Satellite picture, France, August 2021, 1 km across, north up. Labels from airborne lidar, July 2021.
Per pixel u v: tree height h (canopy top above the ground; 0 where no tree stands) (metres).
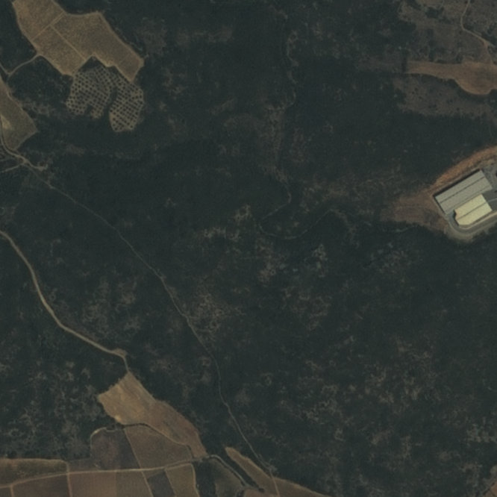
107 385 0
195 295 0
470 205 0
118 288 0
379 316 0
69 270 0
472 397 0
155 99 0
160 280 0
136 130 0
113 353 0
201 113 0
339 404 0
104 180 0
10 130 0
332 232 0
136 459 0
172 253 0
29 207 0
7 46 0
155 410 0
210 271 0
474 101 0
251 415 0
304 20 0
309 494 0
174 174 0
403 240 0
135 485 0
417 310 0
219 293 0
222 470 0
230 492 0
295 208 0
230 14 0
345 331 0
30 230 0
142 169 0
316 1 0
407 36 0
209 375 0
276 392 0
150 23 0
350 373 0
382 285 0
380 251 0
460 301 0
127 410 0
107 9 0
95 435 0
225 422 0
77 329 0
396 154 0
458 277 0
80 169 0
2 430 0
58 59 0
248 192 0
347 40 0
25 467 0
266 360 0
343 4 0
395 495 0
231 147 0
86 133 0
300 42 0
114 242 0
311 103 0
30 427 0
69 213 0
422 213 0
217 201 0
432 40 0
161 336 0
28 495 0
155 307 0
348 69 0
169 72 0
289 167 0
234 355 0
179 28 0
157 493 0
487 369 0
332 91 0
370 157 0
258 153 0
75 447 0
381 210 0
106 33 0
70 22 0
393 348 0
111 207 0
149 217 0
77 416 0
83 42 0
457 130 0
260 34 0
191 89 0
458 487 0
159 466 0
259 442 0
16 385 0
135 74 0
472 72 0
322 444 0
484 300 0
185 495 0
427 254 0
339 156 0
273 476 0
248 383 0
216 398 0
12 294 0
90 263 0
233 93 0
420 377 0
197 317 0
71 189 0
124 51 0
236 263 0
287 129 0
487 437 0
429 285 0
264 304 0
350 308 0
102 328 0
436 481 0
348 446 0
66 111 0
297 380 0
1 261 0
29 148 0
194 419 0
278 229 0
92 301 0
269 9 0
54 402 0
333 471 0
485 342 0
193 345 0
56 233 0
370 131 0
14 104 0
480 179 0
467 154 0
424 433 0
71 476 0
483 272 0
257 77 0
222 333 0
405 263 0
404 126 0
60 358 0
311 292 0
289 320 0
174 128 0
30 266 0
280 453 0
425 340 0
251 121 0
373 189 0
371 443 0
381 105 0
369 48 0
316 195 0
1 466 0
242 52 0
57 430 0
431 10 0
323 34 0
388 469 0
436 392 0
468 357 0
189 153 0
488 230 0
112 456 0
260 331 0
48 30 0
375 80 0
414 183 0
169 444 0
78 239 0
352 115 0
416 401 0
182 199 0
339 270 0
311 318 0
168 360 0
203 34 0
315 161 0
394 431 0
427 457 0
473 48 0
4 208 0
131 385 0
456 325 0
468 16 0
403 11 0
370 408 0
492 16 0
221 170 0
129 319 0
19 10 0
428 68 0
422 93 0
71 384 0
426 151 0
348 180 0
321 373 0
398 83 0
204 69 0
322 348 0
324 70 0
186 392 0
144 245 0
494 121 0
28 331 0
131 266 0
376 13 0
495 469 0
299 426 0
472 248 0
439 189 0
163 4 0
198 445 0
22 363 0
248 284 0
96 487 0
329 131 0
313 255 0
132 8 0
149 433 0
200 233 0
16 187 6
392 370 0
